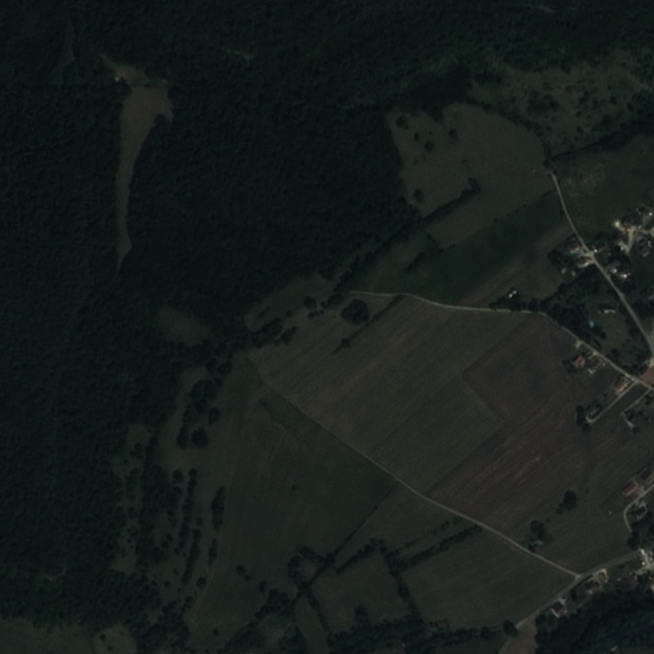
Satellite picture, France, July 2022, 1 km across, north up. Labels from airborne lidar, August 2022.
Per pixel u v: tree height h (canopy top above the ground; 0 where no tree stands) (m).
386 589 0
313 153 19
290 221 19
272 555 0
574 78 0
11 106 23
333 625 0
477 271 0
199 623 0
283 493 0
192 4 18
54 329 14
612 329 0
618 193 0
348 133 17
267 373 0
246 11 11
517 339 0
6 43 8
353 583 0
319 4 16
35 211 18
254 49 11
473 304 0
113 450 14
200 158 16
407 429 0
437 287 0
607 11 23
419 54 10
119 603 11
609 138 14
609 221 0
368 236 20
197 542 13
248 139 21
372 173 19
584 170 0
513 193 0
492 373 0
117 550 9
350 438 0
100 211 27
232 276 21
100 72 22
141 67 15
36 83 6
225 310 20
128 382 25
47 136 21
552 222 0
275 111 16
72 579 15
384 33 16
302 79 21
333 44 11
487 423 0
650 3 10
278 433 0
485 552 0
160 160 21
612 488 0
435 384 0
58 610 8
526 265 0
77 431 20
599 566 0
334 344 0
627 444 0
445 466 0
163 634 12
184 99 16
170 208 20
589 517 0
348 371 0
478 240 0
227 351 16
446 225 0
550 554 0
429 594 0
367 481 0
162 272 20
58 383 13
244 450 0
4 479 17
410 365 0
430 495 0
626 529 0
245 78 22
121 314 14
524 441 0
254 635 6
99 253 21
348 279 14
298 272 14
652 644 9
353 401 0
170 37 13
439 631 7
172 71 24
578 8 10
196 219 19
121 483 11
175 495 15
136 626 11
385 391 0
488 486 0
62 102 23
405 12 10
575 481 0
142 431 0
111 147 17
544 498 0
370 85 11
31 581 17
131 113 0
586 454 0
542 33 9
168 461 0
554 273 0
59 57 6
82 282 14
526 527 0
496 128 0
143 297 19
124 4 22
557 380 0
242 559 0
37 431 16
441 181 0
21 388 19
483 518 0
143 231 16
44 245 19
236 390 0
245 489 0
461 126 0
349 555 0
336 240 23
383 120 19
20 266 15
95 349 24
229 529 0
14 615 12
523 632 0
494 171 0
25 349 17
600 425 0
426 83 9
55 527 13
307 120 20
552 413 0
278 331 10
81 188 18
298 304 0
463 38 17
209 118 16
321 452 0
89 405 12
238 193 23
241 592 0
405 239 17
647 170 0
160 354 18
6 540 10
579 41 14
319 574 6
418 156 0
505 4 13
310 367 0
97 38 24
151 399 6
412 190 0
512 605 0
